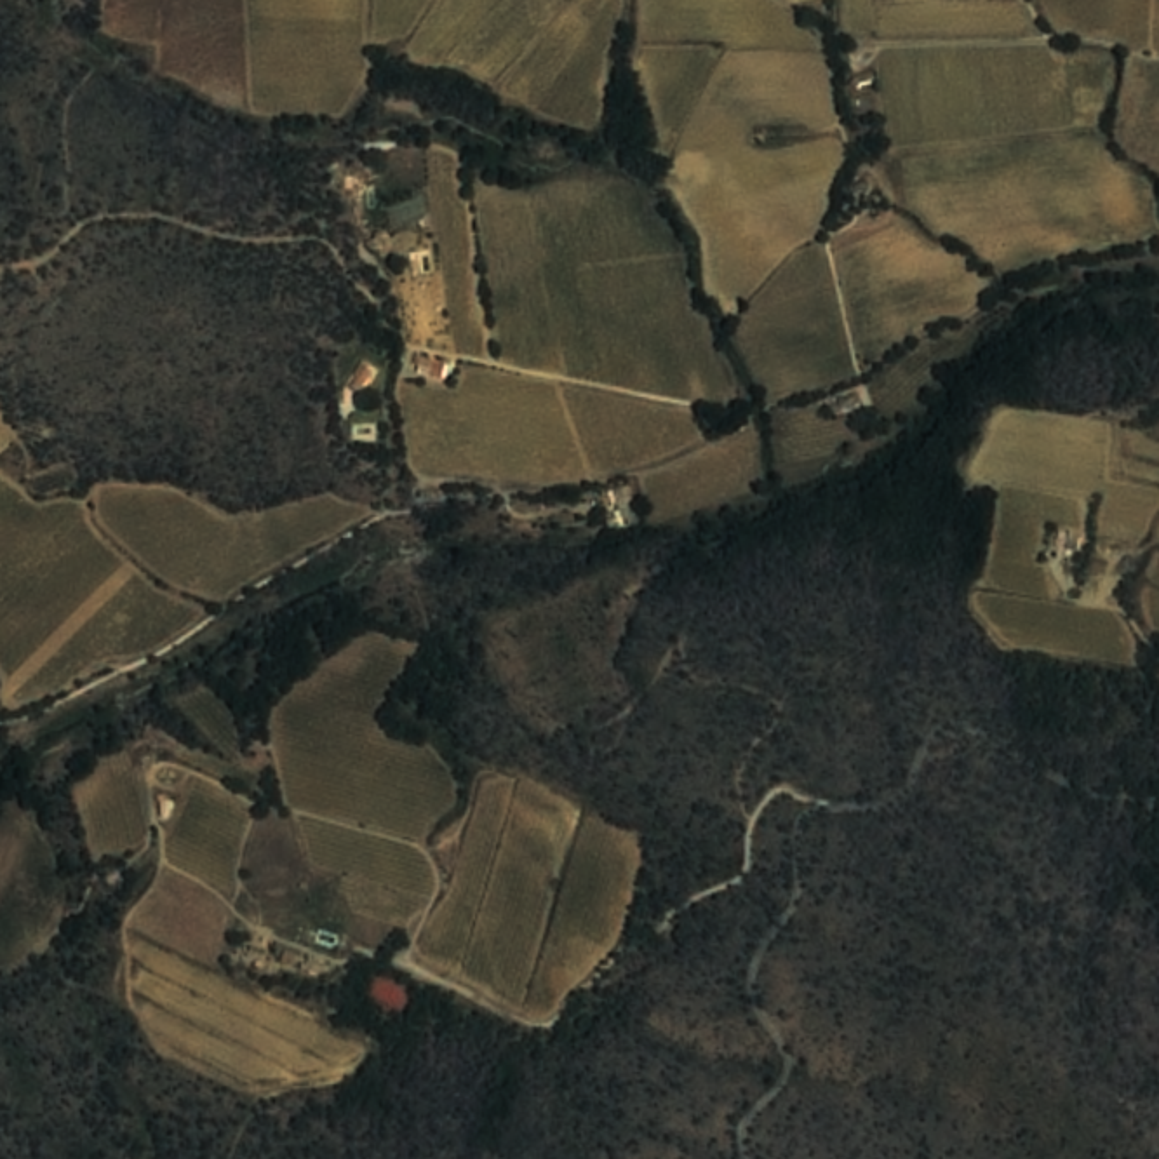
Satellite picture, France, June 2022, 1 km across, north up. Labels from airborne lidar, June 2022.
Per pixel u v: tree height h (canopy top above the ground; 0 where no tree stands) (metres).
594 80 0
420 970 0
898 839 8
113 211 8
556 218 0
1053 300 19
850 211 8
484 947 0
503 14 0
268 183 7
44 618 0
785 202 0
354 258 11
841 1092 0
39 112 0
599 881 0
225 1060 0
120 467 9
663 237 0
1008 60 0
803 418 0
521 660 0
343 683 0
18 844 0
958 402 14
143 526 0
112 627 0
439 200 0
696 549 16
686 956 9
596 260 0
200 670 18
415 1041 14
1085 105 0
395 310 12
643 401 0
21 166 10
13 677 0
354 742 0
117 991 0
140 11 0
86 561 0
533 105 0
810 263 0
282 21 0
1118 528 0
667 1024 0
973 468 0
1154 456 0
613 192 0
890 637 8
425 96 17
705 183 0
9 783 16
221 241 8
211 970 0
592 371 0
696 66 0
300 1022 0
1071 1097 0
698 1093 0
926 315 0
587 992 12
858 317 0
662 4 0
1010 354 20
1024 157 0
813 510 17
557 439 0
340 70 0
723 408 11
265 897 0
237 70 0
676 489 0
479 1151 11
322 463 0
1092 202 0
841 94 11
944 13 0
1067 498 0
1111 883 16
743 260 0
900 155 0
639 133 18
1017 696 8
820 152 0
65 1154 0
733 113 0
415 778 0
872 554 15
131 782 0
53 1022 0
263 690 13
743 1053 0
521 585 10
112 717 0
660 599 9
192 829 0
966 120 0
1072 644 0
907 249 0
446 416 0
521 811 0
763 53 0
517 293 0
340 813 0
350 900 0
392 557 0
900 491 9
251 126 20
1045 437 0
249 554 0
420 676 13
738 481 0
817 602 10
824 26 7
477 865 0
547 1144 0
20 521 0
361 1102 9
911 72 0
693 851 11
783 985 0
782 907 8
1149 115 0
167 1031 0
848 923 0
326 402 11
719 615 9
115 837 0
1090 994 12
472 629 11
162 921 0
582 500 11
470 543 0
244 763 0
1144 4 0
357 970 11
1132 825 13
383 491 6
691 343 0
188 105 15
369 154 18
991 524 13
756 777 7
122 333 0
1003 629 0
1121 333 14
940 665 8
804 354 0
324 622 15
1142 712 7
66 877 7
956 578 10
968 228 0
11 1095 0
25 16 8
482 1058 12
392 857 0
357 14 0
